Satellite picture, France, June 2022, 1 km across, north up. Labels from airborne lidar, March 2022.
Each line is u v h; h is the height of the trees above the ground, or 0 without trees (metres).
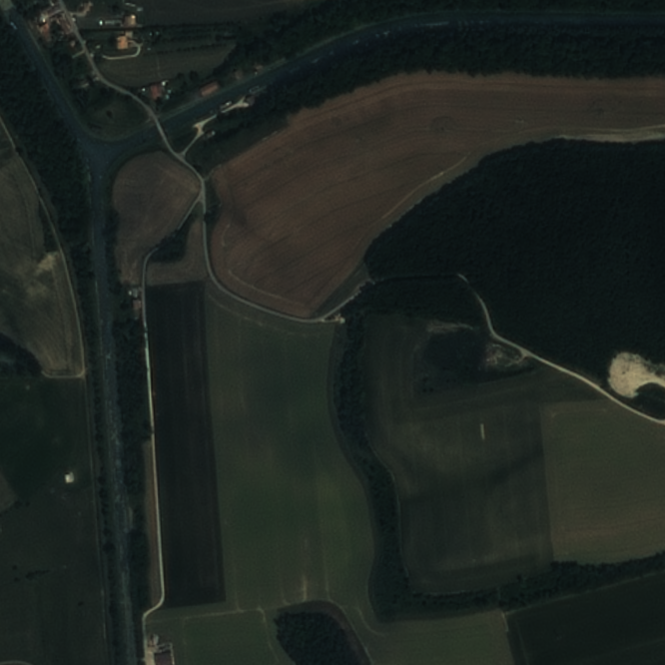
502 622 0
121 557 0
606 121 0
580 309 10
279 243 0
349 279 0
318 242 0
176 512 0
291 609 0
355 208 0
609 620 0
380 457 0
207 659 0
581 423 0
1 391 0
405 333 0
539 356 7
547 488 0
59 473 0
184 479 0
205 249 0
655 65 16
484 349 0
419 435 0
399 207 0
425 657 0
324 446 0
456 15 0
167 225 0
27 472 0
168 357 0
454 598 6
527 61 23
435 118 0
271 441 0
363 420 10
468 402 0
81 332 0
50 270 0
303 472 0
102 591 0
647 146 12
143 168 0
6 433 0
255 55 22
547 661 0
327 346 0
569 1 27
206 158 0
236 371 0
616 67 23
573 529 0
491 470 0
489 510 0
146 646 0
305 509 0
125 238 0
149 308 0
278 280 0
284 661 0
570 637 0
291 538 0
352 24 19
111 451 0
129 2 0
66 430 0
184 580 0
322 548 0
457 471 0
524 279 17
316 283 0
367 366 0
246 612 0
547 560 0
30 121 20
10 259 0
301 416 0
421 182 0
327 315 0
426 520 0
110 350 0
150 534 0
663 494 0
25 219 0
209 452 0
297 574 0
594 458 0
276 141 0
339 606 0
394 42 19
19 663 0
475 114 0
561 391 0
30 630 0
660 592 0
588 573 15
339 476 0
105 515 12
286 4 0
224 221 0
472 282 11
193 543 0
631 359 0
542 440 0
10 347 32
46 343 0
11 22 0
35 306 0
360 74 26
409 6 29
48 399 0
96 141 0
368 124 0
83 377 0
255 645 0
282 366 0
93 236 0
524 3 20
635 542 0
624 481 0
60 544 0
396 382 0
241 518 0
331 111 0
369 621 0
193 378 0
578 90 0
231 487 0
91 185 0
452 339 0
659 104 0
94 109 0
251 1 0
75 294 0
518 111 0
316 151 0
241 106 0
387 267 15
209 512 0
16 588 0
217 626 0
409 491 0
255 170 0
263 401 0
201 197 0
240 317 0
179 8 0
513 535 0
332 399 0
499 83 0
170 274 0
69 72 12
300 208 0
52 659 0
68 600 0
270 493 0
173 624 0
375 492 5
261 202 0
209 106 0
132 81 0
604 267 14
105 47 0
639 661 0
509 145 0
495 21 0
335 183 0
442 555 0
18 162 0
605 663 0
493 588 0
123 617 0
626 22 0
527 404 0
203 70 0
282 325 0
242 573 0
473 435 0
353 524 0
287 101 21
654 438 0
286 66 0
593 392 0
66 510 0
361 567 0
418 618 0
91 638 0
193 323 0
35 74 24
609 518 0
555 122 0
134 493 13
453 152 0
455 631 0
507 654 0
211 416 0
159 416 0
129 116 0
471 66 21
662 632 0
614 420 0
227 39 9
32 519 0
